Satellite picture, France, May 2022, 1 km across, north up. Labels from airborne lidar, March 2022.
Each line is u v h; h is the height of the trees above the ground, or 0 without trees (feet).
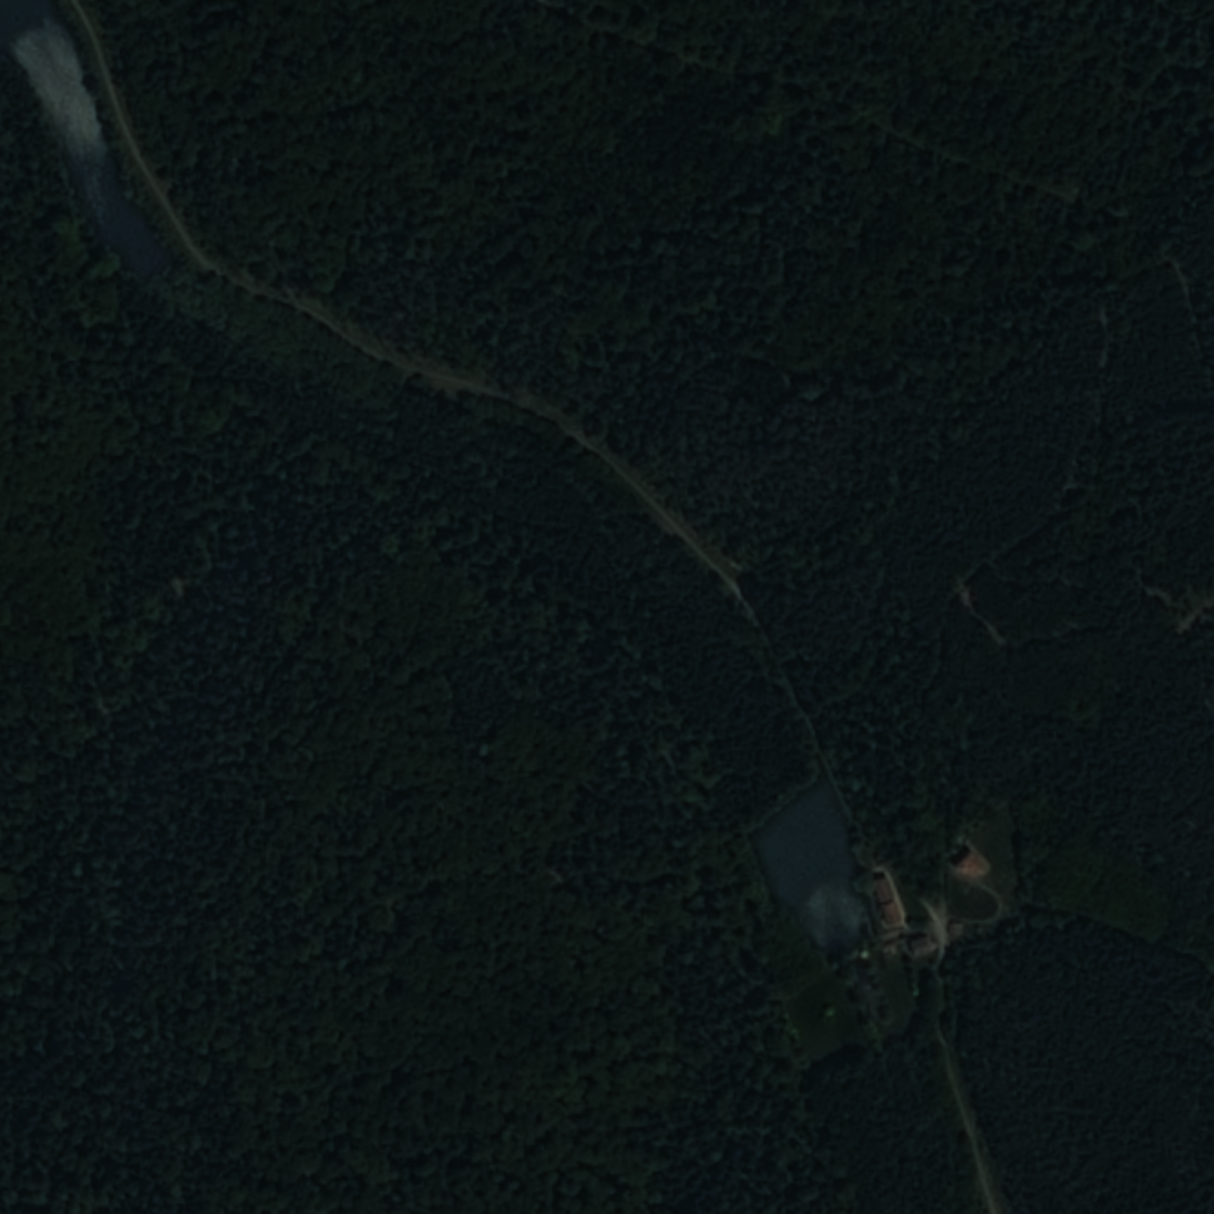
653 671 113
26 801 69
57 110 0
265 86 49
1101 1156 45
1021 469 67
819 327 47
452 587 64
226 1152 97
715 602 90
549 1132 94
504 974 79
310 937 81
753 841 0
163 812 52
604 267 59
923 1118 56
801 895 0
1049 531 68
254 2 52
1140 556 58
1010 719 61
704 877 127
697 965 93
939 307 53
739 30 74
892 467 74
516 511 73
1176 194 55
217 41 79
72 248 96
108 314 81
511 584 74
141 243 0
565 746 83
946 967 24
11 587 62
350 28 58
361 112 79
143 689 117
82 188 0
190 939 86
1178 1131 54
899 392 81
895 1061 40
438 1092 99
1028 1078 42
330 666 63
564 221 67
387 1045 92
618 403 84
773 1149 72
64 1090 101
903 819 93
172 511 71
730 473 83
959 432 71
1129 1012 66
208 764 108
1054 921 41
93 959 89
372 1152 91
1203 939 59
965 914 0
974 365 77
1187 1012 22
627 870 102
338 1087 95
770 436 72
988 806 39
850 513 89
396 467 93
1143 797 63
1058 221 40
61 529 69
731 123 71
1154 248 94
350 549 98
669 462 77
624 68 45
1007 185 29
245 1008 85
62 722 94
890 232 50
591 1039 98
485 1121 97
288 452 89
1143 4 90
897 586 65
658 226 32
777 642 78
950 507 47
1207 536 59
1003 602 55
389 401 67
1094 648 54
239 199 68
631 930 94
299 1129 100
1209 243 65
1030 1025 50
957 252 47
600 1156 104
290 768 90
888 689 64
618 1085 84
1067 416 85
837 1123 63
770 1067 58
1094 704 52
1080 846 27
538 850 62
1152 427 83
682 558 71
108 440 80
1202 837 49
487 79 58
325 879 94
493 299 82
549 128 41
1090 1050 39
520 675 96
